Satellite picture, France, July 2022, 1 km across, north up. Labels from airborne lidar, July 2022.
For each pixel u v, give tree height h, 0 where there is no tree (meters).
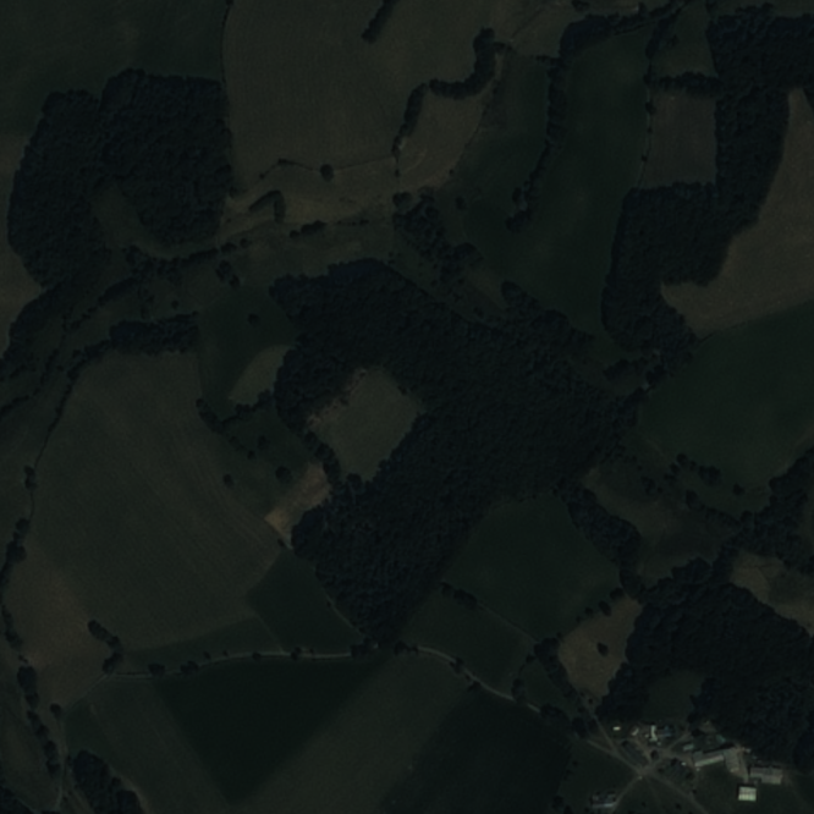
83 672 0
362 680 0
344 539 26
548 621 0
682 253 22
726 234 25
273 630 0
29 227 21
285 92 0
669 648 23
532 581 0
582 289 0
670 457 0
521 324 11
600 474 0
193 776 0
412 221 18
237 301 0
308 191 0
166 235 21
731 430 0
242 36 0
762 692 19
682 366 9
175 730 0
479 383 23
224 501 0
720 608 25
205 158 20
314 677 0
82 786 20
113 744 0
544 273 0
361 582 22
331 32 0
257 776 0
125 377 0
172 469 0
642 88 0
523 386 21
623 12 0
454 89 15
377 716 0
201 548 0
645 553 0
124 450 0
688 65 0
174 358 0
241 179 0
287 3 0
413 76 0
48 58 0
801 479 23
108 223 0
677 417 0
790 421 0
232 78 0
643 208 25
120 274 0
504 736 0
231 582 0
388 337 21
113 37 0
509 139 0
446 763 0
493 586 0
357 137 0
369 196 0
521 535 0
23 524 13
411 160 0
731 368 0
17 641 16
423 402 20
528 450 21
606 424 16
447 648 0
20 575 0
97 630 15
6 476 0
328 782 0
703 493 0
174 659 0
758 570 0
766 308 0
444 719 0
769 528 12
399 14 0
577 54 18
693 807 0
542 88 0
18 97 0
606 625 0
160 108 21
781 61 22
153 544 0
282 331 0
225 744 0
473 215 0
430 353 23
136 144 26
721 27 16
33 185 26
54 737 0
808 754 23
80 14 0
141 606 0
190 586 0
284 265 0
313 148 0
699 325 0
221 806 0
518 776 0
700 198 24
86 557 0
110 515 0
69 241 19
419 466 25
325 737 0
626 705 25
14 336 17
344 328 26
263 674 0
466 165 0
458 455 18
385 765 0
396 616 27
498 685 0
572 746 0
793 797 0
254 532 0
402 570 19
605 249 0
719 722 19
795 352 0
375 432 0
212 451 0
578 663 0
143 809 18
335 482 18
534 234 0
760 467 0
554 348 20
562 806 17
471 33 0
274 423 0
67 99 13
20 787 0
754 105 25
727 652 27
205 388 0
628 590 19
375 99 0
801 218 0
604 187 0
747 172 21
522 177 0
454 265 19
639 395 15
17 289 0
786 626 24
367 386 0
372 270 29
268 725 0
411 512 22
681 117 0
